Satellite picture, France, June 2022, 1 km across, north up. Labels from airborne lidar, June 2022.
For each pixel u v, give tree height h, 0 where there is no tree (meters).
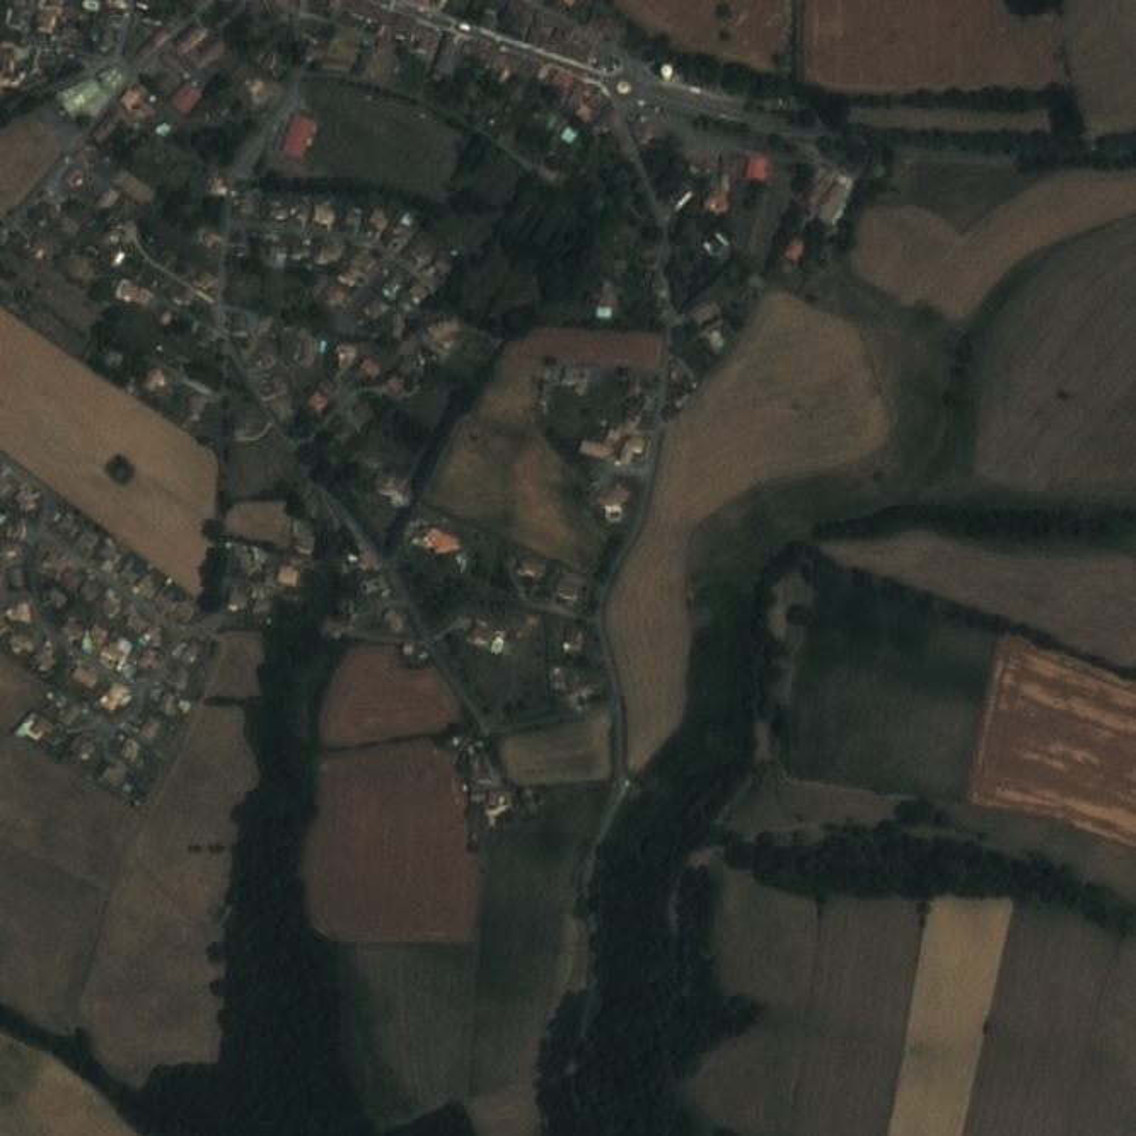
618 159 8
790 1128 0
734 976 0
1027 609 0
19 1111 0
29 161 0
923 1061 0
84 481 0
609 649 0
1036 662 0
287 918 19
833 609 0
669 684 0
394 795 0
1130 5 0
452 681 0
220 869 0
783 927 0
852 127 13
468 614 0
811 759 0
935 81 0
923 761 0
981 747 0
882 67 0
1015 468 0
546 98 12
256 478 0
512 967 0
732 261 12
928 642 0
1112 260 0
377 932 0
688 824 20
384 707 0
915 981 0
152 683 0
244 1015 20
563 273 19
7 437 0
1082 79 0
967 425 0
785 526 0
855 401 0
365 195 15
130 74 0
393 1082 0
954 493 0
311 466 24
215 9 9
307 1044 23
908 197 0
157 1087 15
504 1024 0
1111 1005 0
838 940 0
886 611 0
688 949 21
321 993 18
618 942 19
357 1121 22
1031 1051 0
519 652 0
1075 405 0
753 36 0
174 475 0
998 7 0
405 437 9
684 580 0
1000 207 0
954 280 0
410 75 0
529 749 0
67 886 0
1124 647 0
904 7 0
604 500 0
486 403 0
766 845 19
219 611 17
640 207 15
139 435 0
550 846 0
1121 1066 0
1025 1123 0
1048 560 0
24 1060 0
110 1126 0
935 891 18
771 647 19
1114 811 0
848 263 0
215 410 0
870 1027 0
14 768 0
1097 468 0
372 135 0
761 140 7
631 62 0
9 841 0
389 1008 0
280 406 0
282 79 8
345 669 0
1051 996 0
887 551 0
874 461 0
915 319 0
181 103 0
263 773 7
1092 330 0
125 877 0
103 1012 0
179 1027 0
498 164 0
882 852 12
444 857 0
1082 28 0
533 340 0
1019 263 0
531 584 6
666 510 0
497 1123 0
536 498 0
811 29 0
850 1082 0
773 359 0
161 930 0
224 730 0
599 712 0
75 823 0
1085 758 0
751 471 0
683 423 0
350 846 0
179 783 0
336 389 0
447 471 0
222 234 0
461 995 0
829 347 0
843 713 0
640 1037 19
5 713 0
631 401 7
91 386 0
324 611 6
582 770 0
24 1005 0
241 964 17
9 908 0
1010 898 9
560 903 0
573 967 0
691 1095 0
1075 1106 0
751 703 15
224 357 10
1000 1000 0
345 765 0
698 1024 27
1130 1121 0
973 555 0
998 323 0
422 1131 19
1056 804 0
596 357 0
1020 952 0
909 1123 0
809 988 0
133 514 0
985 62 0
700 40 0
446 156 0
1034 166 15
